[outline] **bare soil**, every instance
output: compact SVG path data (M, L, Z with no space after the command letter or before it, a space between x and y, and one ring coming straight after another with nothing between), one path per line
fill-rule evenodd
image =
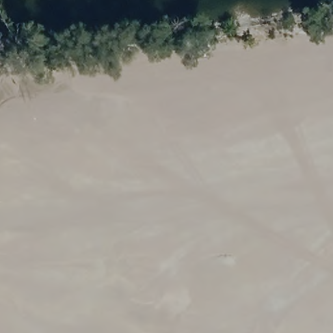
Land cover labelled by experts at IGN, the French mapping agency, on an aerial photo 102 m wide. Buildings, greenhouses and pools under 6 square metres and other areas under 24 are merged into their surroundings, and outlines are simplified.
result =
M14 74L12 65L5 64L4 68L0 68L0 333L333 333L333 35L325 36L324 42L321 43L311 42L310 36L300 27L302 18L298 14L295 14L294 29L280 30L277 22L281 21L282 13L278 10L268 18L235 13L234 18L237 34L243 35L250 31L254 38L254 46L248 46L243 40L229 39L225 33L221 33L217 35L216 44L208 44L211 57L204 53L199 57L198 66L195 68L186 68L182 64L182 57L176 51L166 59L152 62L148 60L143 49L131 57L129 64L121 66L121 75L118 79L113 79L108 74L83 75L79 73L77 64L74 64L68 68L53 70L52 81L48 85L42 85L36 83L31 73Z

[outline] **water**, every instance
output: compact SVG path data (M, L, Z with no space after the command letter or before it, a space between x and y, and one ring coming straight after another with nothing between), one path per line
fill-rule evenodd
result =
M64 33L75 23L83 23L87 31L90 27L113 27L121 21L138 21L140 25L147 25L148 22L160 23L163 16L169 17L169 25L185 17L194 18L200 14L212 22L219 23L234 18L235 13L268 18L278 10L282 13L293 9L295 14L298 14L304 8L317 10L323 4L333 3L333 0L1 0L1 5L12 22L21 22L22 25L33 22L34 25L42 25L44 29L55 34Z

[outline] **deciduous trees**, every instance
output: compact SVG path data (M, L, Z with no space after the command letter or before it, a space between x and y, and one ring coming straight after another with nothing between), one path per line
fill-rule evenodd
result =
M321 43L324 42L325 36L333 35L333 3L323 4L317 10L304 8L298 14L302 18L300 27L310 36L311 42Z
M282 13L281 21L277 22L280 30L294 29L295 14L293 9Z
M140 25L138 21L121 21L113 27L90 27L87 31L83 23L75 23L64 33L55 34L44 29L42 25L34 25L33 22L22 25L21 22L12 22L1 5L1 0L0 0L0 68L4 68L5 64L12 65L14 74L31 73L36 83L42 85L48 85L52 81L53 70L68 68L74 64L77 64L79 73L83 75L108 74L113 79L118 79L121 75L121 66L129 64L131 57L143 49L148 60L152 62L166 59L176 51L182 57L182 64L186 68L195 68L198 66L199 57L204 53L211 57L208 44L216 44L217 35L221 33L225 33L229 39L243 40L248 46L254 46L254 38L250 31L243 35L237 34L234 18L219 23L212 22L200 14L194 18L185 17L169 25L169 17L163 16L160 23L148 22L147 25Z

